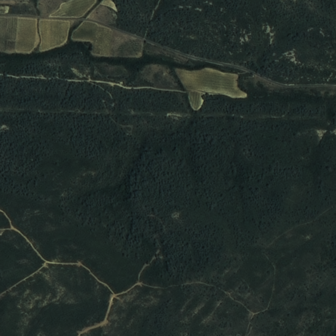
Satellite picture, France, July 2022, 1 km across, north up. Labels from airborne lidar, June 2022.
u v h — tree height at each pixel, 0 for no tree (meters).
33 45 0
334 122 10
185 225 6
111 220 9
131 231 15
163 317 7
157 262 8
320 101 10
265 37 0
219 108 7
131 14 6
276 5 9
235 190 9
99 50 0
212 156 10
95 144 10
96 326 0
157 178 11
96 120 8
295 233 0
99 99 8
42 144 11
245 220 7
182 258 8
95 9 0
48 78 8
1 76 8
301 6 7
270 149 9
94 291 0
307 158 9
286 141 7
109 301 0
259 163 8
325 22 7
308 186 10
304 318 0
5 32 0
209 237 10
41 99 10
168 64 8
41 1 0
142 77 0
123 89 10
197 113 12
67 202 8
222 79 0
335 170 6
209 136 15
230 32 7
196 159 10
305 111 11
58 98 11
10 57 7
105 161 9
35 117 9
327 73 6
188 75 0
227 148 12
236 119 9
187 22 12
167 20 0
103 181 8
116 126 11
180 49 6
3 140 8
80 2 0
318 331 11
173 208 8
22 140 10
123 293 0
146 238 10
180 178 12
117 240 6
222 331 0
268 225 7
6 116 6
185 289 9
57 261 0
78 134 7
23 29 0
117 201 10
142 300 0
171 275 10
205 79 0
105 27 0
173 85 0
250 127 8
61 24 0
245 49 5
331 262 5
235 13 9
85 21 0
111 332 0
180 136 8
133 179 11
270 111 8
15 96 9
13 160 13
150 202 7
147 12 9
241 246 7
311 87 0
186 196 9
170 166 11
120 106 8
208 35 7
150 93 7
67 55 8
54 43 0
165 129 9
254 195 11
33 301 0
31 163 7
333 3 8
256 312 0
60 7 0
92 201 7
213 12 11
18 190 10
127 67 13
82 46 12
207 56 8
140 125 9
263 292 0
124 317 0
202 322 0
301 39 8
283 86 0
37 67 9
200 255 7
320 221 7
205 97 12
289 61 0
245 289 8
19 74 8
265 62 12
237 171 7
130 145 6
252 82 0
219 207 8
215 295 7
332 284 0
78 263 0
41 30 0
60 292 0
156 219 7
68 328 0
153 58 8
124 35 0
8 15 0
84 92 10
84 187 5
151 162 12
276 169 10
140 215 6
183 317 0
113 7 0
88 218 10
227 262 8
